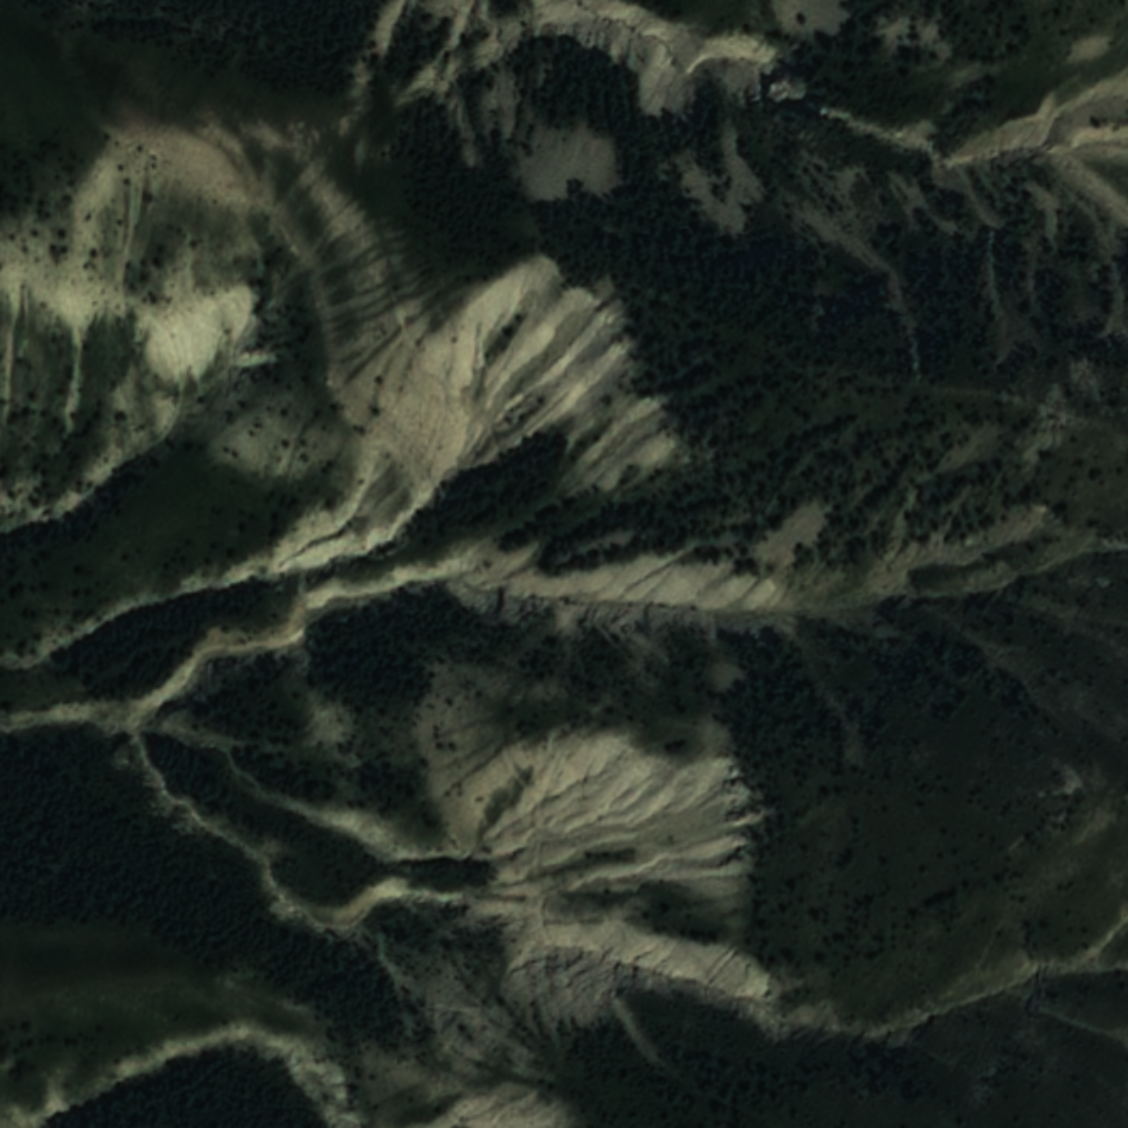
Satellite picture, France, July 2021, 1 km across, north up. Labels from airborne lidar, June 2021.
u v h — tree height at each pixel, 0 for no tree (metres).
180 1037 0
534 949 0
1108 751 0
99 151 0
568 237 10
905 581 0
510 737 0
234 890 9
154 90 0
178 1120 13
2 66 0
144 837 9
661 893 0
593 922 0
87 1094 0
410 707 0
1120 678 0
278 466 0
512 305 0
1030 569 0
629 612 0
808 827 0
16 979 0
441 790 0
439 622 10
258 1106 11
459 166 6
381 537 0
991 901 0
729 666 0
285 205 0
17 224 0
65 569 0
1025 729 0
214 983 0
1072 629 0
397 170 0
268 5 9
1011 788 0
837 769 8
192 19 13
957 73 0
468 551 0
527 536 19
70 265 0
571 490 0
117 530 0
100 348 0
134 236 0
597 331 0
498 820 0
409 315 0
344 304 0
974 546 0
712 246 15
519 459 12
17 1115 0
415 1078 0
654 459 0
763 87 0
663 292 9
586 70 12
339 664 10
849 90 12
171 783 7
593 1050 6
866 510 11
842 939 12
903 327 13
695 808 0
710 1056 12
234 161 0
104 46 0
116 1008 0
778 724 7
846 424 11
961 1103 0
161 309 0
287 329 0
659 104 0
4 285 0
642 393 8
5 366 0
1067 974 0
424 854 0
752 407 14
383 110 0
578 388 0
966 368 0
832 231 0
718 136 11
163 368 0
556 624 0
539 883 0
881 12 9
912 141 0
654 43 0
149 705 0
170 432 0
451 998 0
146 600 0
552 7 0
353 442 0
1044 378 0
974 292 12
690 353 16
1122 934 0
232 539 0
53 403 0
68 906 11
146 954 0
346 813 0
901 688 6
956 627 0
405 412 0
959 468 0
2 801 16
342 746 7
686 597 0
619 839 0
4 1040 7
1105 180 0
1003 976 0
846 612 0
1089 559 0
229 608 10
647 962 0
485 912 0
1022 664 0
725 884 0
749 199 0
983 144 0
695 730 0
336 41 16
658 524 15
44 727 0
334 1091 0
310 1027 0
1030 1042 0
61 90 0
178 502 0
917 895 0
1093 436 0
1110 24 0
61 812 16
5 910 12
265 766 13
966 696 11
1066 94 0
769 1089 11
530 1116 0
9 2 0
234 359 0
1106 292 8
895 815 0
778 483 9
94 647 14
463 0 0
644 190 12
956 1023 0
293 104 0
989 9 9
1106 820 0
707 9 0
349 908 0
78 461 8
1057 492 0
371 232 0
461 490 13
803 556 12
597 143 0
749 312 9
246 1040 0
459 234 7
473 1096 0
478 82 12
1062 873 0
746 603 0
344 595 0
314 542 0
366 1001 11
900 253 14
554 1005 0
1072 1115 0
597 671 6
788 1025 0
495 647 6
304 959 16
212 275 0
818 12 0
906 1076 6
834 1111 0
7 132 0
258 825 16
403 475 0
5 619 0
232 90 0
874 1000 0
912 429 11
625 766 0
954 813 0
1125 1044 0
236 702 14
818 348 6
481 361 0
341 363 0
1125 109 0
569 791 0
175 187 0
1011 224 7
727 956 0
